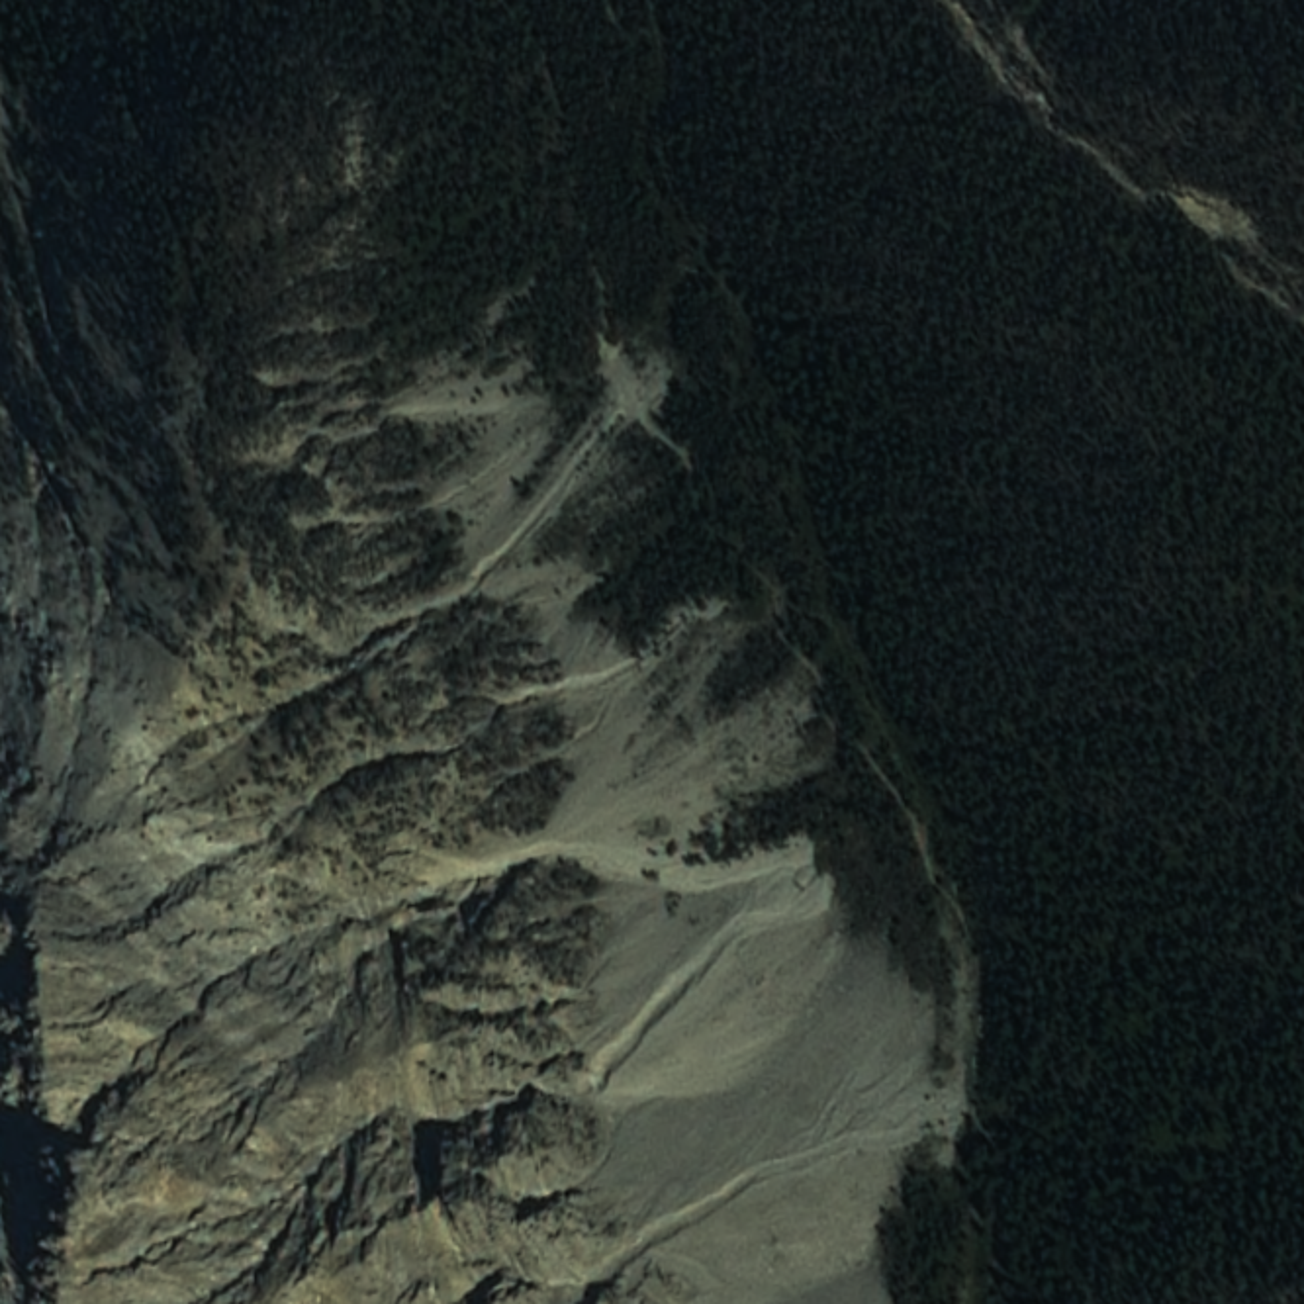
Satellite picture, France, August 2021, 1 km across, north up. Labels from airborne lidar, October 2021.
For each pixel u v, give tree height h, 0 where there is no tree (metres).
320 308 8
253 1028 0
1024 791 17
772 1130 0
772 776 0
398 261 11
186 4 14
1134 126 17
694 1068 0
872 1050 0
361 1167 0
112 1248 0
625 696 0
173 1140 0
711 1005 0
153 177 9
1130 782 12
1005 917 8
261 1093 0
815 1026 0
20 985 0
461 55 20
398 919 0
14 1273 0
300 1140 0
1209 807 12
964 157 15
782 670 11
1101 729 16
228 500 7
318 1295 0
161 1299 0
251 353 10
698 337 9
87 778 0
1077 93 13
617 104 11
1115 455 8
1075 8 15
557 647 0
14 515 0
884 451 16
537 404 0
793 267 8
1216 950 13
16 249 14
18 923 0
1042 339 15
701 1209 0
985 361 7
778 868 0
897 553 11
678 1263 0
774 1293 0
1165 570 7
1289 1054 15
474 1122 0
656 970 0
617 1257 0
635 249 11
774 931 0
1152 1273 16
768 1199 0
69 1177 0
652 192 20
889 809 6
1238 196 13
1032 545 11
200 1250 0
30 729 0
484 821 6
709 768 0
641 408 0
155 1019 0
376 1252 0
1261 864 11
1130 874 15
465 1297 0
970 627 14
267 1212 0
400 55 19
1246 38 17
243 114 14
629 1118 0
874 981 0
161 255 11
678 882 0
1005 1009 8
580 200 9
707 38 10
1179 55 14
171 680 0
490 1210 0
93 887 0
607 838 0
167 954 0
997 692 12
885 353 9
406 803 8
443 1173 0
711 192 8
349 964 0
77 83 15
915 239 7
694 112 8
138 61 19
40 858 0
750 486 13
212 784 0
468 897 0
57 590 0
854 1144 0
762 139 8
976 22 9
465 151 16
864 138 17
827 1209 0
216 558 0
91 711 0
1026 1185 18
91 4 7
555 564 0
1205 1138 8
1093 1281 14
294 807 0
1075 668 14
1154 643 7
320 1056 0
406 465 9
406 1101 0
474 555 0
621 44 10
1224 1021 8
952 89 14
